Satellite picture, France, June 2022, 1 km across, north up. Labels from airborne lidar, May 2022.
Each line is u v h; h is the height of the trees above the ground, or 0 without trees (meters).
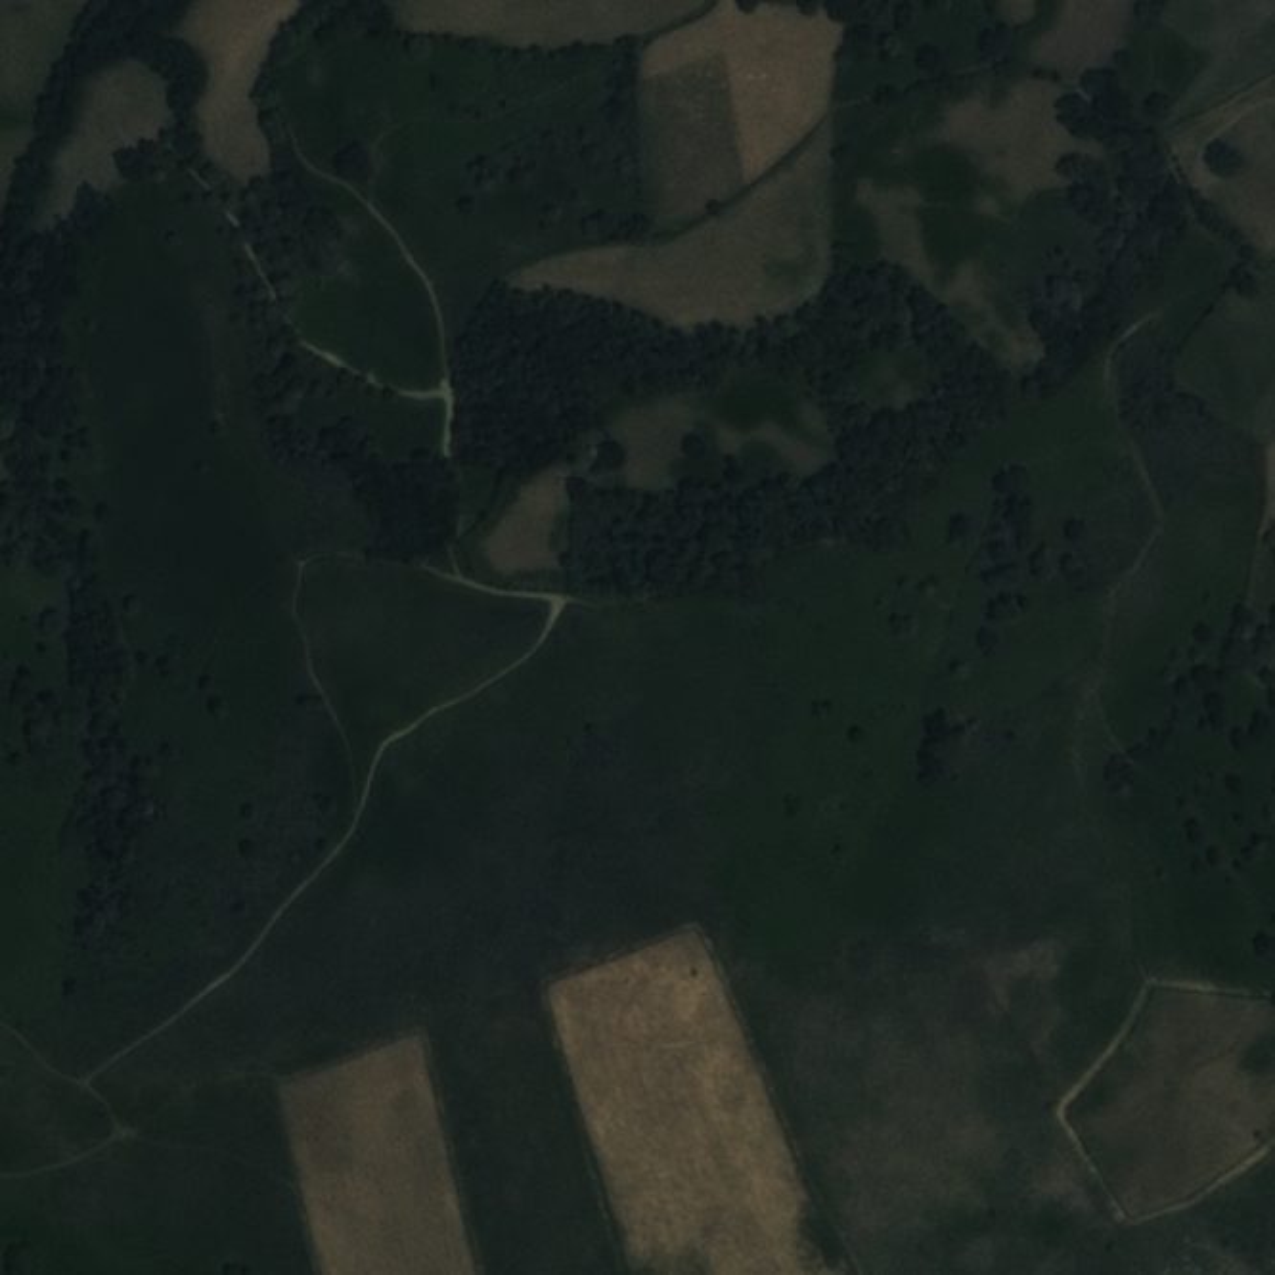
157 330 0
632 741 0
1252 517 0
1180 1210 0
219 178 12
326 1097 0
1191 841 8
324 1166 0
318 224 14
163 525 0
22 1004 0
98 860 9
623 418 0
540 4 0
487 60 0
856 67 0
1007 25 10
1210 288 0
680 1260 0
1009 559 11
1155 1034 0
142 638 0
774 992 0
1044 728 0
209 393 0
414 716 0
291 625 0
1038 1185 0
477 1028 0
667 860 0
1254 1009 0
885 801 0
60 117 15
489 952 0
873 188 0
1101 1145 0
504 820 0
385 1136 0
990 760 0
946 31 0
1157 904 0
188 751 0
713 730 0
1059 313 14
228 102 0
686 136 0
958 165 0
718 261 0
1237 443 0
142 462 0
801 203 0
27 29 0
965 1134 0
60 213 0
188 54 22
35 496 10
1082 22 0
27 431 18
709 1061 0
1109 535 0
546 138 8
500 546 0
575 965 0
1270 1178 0
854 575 0
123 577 0
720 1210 0
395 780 0
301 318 0
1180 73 0
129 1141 0
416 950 0
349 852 0
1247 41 0
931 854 0
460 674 0
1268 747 0
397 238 0
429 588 0
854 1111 0
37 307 21
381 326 0
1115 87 21
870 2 11
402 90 0
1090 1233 0
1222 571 0
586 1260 0
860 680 0
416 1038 0
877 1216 0
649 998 0
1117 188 11
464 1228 0
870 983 0
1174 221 18
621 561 19
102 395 0
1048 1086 0
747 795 0
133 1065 0
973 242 0
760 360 19
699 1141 0
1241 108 0
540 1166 0
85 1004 0
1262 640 11
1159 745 7
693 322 0
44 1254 0
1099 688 0
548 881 0
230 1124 0
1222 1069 0
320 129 0
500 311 12
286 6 0
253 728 0
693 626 0
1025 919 0
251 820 11
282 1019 0
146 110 0
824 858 0
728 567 18
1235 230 6
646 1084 0
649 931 0
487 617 0
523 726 0
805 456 0
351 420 11
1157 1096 0
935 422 19
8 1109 0
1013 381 16
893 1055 0
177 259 0
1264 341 0
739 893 0
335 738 0
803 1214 0
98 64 22
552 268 0
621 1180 0
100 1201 0
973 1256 0
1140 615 0
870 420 13
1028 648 0
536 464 13
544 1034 0
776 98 0
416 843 0
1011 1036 0
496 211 0
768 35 0
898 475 21
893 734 0
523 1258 0
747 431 0
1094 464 0
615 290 0
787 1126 0
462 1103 0
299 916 0
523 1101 0
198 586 0
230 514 0
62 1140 0
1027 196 0
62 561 12
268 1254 0
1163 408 11
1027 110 0
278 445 11
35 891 0
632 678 0
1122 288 9
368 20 17
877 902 0
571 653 0
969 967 0
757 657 0
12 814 0
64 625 17
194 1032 0
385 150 0
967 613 0
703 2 0
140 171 20
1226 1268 0
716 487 10
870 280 17
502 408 13
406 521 11
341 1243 0
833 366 8
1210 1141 0
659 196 0
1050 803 0
